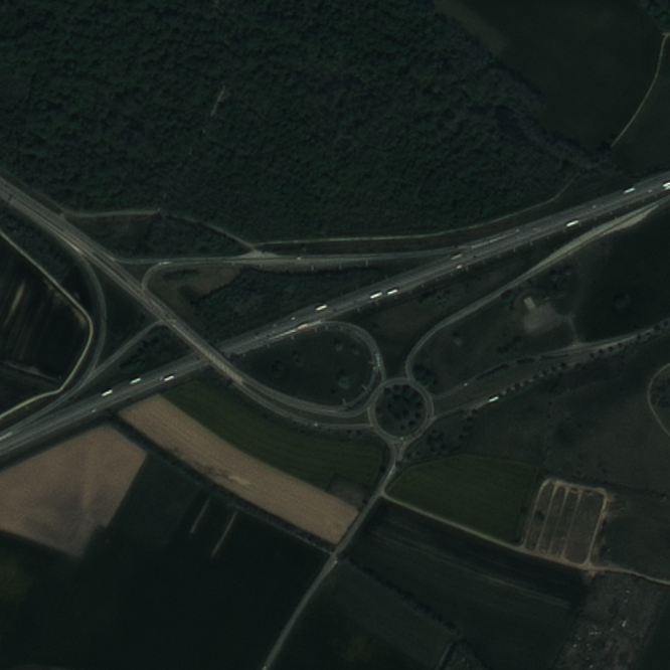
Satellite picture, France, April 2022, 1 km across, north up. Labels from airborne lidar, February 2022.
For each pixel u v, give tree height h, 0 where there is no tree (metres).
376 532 0
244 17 28
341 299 0
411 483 0
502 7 0
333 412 0
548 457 0
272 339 0
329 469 0
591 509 0
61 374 0
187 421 0
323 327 0
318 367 0
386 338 0
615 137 6
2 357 0
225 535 0
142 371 0
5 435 0
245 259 0
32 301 0
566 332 0
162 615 0
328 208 16
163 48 17
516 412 0
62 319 0
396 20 14
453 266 0
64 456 0
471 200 16
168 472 0
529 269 0
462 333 0
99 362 0
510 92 20
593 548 0
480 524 0
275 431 0
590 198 0
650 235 0
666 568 0
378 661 0
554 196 0
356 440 10
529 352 0
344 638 0
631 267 0
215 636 0
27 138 12
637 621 0
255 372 0
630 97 0
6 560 0
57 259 14
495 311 0
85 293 0
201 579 0
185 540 0
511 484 0
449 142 18
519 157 15
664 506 0
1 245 0
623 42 0
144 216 0
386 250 0
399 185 12
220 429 0
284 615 0
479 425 0
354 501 0
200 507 0
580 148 19
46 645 0
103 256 0
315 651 0
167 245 16
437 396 0
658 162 0
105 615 0
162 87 25
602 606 0
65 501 0
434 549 0
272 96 24
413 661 0
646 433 0
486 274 0
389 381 0
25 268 0
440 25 18
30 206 0
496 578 0
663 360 0
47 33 15
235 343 0
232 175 12
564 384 0
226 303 10
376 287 0
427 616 10
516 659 0
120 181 16
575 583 0
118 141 20
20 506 0
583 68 0
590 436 0
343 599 0
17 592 0
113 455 0
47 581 0
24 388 0
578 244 0
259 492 0
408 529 0
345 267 0
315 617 0
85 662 0
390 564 0
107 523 0
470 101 20
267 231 10
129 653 0
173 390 0
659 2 12
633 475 0
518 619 0
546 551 0
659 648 0
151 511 0
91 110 21
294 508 0
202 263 0
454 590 0
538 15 0
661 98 0
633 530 0
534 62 0
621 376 0
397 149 13
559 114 0
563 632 0
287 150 14
